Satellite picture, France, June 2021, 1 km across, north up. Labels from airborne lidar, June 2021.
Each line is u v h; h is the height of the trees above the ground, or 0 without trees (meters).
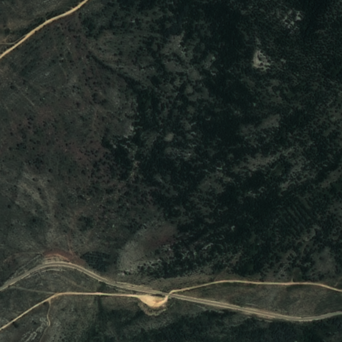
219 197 6
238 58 8
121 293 0
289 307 0
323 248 6
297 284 0
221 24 7
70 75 0
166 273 8
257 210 10
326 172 10
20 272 0
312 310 0
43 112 0
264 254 9
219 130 6
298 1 7
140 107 8
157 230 0
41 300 0
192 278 0
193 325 7
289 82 8
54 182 0
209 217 7
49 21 0
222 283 0
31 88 0
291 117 10
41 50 0
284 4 7
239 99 9
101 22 0
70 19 0
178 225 6
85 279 0
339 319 10
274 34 7
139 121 6
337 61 13
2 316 0
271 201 7
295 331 9
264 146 7
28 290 0
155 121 8
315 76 8
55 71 0
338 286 0
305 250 6
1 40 0
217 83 6
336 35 9
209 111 7
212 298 0
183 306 0
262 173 10
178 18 8
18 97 0
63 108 0
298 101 7
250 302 0
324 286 0
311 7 10
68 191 0
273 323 6
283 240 6
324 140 8
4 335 0
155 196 7
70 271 0
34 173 0
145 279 0
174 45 0
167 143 6
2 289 0
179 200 8
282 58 8
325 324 9
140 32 0
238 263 9
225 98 8
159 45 7
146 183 7
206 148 6
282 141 9
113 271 0
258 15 8
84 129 0
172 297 0
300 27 9
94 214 0
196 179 7
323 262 0
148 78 8
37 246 0
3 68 0
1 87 0
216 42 7
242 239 7
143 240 0
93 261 6
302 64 8
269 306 0
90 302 0
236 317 0
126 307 0
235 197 10
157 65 7
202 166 5
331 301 0
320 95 6
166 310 0
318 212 6
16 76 0
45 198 0
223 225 6
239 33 9
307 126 7
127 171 6
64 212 0
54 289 0
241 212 7
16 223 0
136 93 8
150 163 8
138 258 0
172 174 7
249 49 6
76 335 0
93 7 0
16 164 0
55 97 0
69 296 0
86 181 0
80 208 0
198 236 6
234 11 7
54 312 0
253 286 0
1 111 0
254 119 8
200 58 7
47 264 0
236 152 7
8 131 0
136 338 5
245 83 8
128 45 0
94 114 0
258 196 7
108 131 7
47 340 0
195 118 8
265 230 10
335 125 10
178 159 8
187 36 6
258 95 10
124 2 7
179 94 6
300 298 0
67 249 0
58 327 0
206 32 7
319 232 11
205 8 8
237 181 6
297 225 8
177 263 6
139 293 0
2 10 0
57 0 0
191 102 7
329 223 8
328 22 8
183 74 6
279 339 9
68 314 0
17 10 0
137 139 10
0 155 0
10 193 0
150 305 0
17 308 0
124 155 7
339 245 7
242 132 6
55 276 0
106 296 0
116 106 0
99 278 0
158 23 8
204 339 12
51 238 0
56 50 0
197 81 6
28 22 0
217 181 6
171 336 9
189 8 8
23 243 0
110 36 0
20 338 0
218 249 8
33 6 0
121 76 9
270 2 7
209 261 9
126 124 0
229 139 8
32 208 0
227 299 0
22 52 0
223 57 8
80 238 0
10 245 0
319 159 10
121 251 0
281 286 0
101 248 0
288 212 8
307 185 7
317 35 8
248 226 9
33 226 0
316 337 10
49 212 0
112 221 0
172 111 9
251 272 6
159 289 0
